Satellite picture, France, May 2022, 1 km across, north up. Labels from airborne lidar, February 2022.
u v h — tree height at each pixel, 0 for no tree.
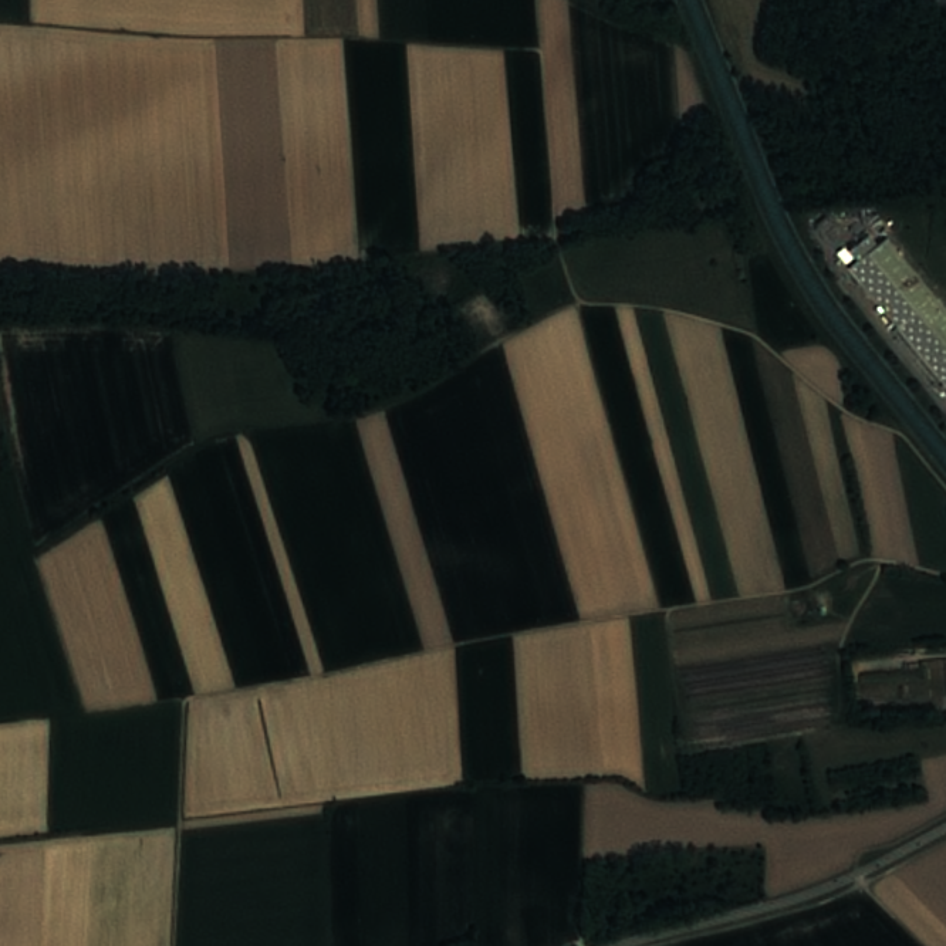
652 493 0
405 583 0
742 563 0
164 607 0
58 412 0
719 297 0
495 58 0
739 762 7
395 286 28
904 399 0
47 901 0
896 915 0
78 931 0
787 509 0
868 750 0
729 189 23
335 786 0
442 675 0
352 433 0
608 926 18
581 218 16
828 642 0
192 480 0
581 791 0
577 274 0
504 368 0
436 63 0
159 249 0
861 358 0
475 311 0
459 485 0
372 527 0
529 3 0
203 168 0
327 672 0
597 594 0
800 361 0
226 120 0
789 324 0
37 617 0
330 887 0
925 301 0
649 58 0
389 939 0
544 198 0
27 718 0
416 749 0
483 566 0
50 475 0
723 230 0
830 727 0
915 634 0
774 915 0
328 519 0
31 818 0
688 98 0
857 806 10
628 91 0
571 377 0
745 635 0
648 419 0
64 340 0
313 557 0
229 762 0
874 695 0
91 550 0
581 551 0
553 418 0
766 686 0
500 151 0
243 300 0
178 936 0
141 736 0
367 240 0
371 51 0
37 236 0
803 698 0
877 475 0
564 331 0
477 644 0
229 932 0
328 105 0
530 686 0
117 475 0
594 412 0
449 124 0
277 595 0
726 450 0
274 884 0
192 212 0
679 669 0
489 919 0
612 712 0
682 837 0
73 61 0
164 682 0
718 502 0
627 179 0
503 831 0
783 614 0
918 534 0
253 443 0
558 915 0
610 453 0
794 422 0
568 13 0
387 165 0
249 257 0
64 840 0
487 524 0
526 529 0
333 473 0
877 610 0
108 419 0
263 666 0
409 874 0
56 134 0
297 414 0
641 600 0
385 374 18
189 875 0
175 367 0
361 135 0
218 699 0
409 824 0
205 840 0
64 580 0
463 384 0
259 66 0
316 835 0
